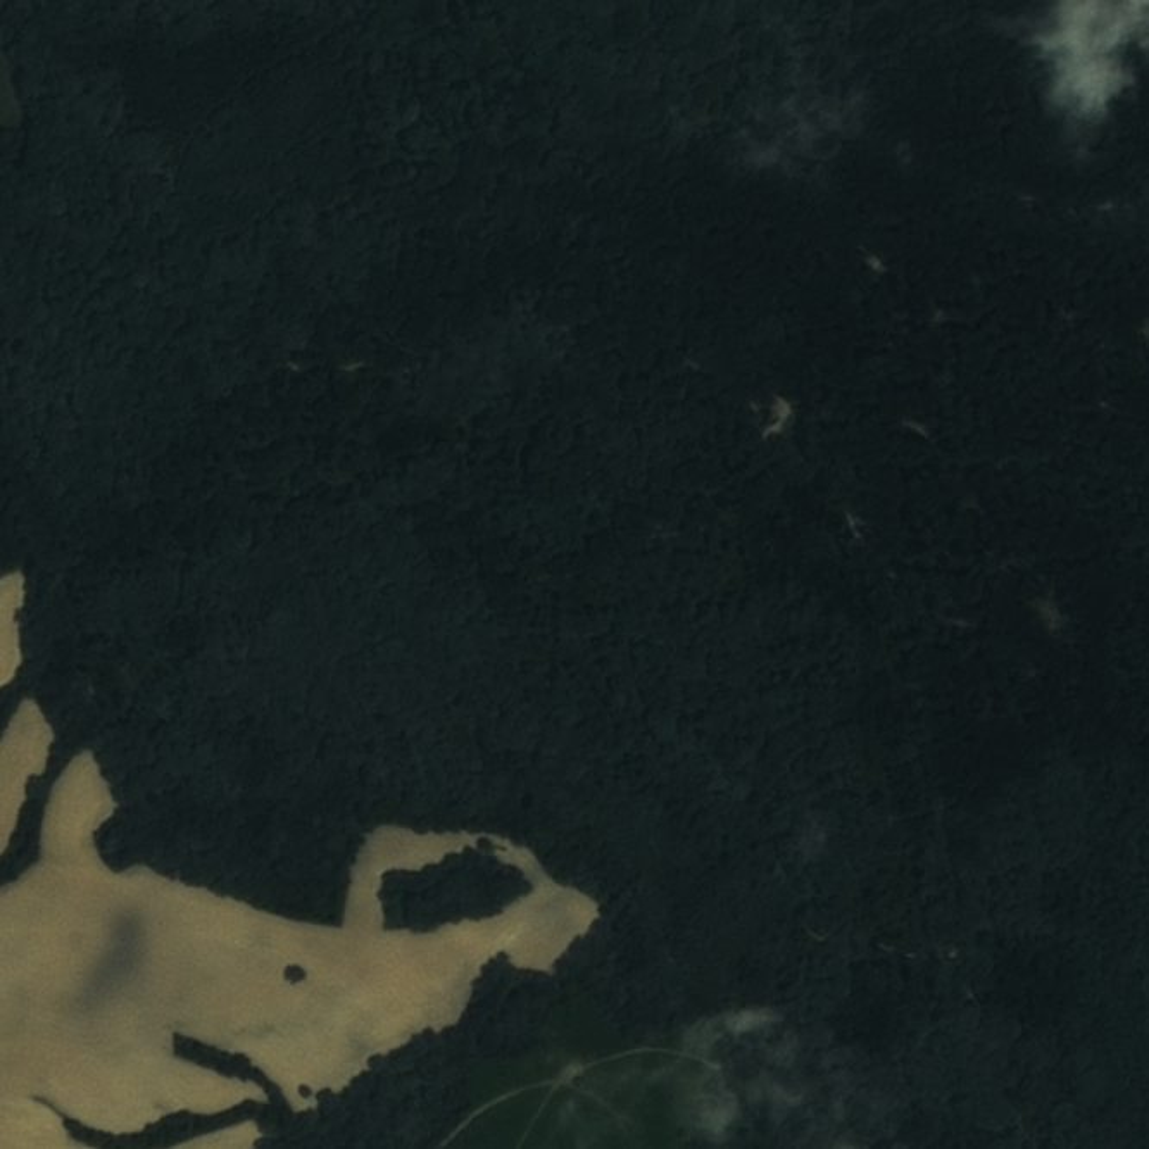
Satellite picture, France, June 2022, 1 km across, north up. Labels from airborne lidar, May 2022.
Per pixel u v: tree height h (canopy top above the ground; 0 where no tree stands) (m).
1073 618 30
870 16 26
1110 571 36
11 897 0
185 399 25
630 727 17
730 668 30
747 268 31
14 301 20
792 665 8
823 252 29
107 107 26
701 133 15
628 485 20
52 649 29
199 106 15
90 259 21
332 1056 0
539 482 28
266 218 14
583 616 20
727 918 11
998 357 32
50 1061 0
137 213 23
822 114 31
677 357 26
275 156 11
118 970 0
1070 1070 16
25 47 24
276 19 17
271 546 20
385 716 20
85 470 26
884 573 29
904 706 6
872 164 28
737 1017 13
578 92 26
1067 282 31
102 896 0
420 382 17
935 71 29
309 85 12
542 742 27
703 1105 7
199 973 0
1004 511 35
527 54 26
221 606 23
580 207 30
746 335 34
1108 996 17
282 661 14
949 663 31
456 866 14
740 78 8
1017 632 32
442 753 24
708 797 13
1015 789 20
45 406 12
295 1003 0
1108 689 33
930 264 34
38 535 20
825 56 14
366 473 15
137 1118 0
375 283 31
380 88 28
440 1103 11
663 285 24
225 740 20
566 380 28
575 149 25
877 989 27
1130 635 37
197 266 21
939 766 26
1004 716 23
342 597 20
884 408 41
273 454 24
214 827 24
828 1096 26
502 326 15
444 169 19
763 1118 17
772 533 11
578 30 21
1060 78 35
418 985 0
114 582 23
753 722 26
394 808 21
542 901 0
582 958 19
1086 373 33
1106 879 25
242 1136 0
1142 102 27
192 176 9
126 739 24
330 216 20
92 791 0
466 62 27
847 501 33
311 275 22
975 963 24
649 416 23
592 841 13
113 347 12
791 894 13
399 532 23
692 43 23
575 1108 0
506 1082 0
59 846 0
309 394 30
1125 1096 18
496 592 23
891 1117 20
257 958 0
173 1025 0
